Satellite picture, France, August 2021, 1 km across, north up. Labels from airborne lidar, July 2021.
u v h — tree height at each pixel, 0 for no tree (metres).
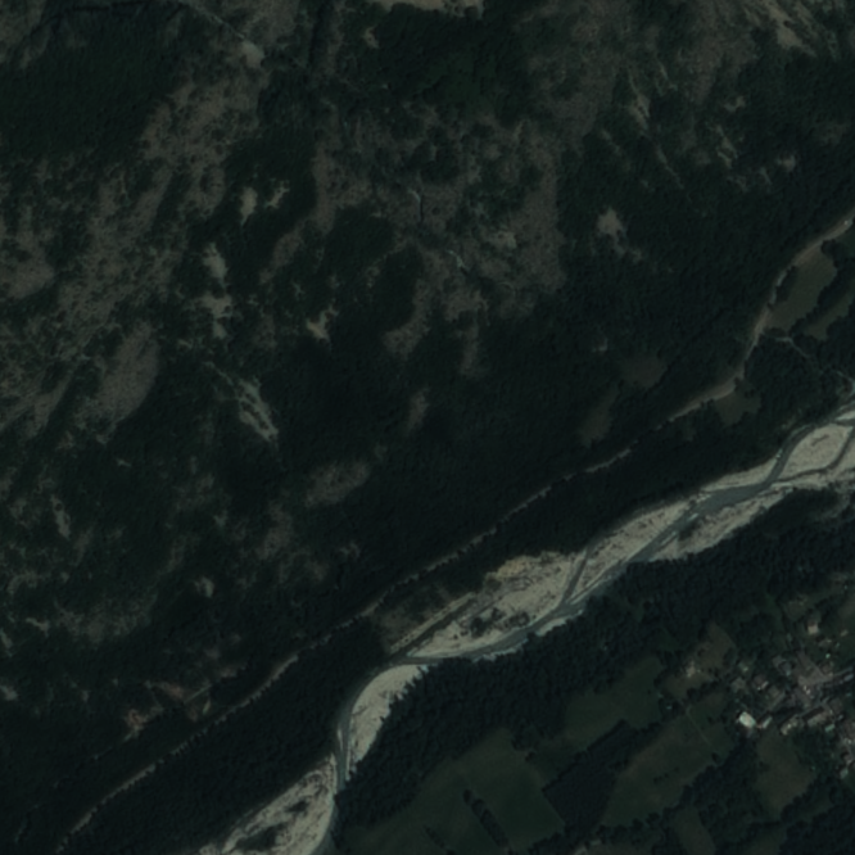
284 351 8
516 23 11
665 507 0
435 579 20
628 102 7
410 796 12
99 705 13
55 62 10
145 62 13
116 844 21
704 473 21
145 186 12
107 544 7
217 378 14
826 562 17
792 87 6
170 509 11
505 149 12
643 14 9
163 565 6
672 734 0
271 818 0
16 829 21
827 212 18
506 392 11
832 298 21
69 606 14
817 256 0
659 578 20
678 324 10
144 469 15
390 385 14
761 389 10
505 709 23
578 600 0
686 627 22
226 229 6
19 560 8
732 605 20
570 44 11
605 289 15
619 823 0
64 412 13
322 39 7
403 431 10
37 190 12
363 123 7
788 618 10
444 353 16
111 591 9
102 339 9
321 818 0
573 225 9
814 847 20
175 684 15
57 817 20
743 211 19
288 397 12
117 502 17
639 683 0
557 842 16
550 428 17
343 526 11
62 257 10
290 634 9
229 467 9
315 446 15
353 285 10
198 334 10
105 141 11
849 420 0
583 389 11
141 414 14
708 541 0
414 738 18
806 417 9
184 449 12
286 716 19
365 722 0
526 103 10
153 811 9
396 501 20
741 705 5
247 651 7
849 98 13
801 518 11
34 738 21
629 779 0
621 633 15
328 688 20
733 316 13
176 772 20
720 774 21
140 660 19
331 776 0
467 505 12
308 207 9
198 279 9
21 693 10
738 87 8
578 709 0
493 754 0
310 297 9
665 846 8
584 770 14
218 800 10
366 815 17
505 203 10
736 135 7
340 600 17
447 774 0
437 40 21
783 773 0
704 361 13
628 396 9
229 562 13
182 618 6
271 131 9
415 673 0
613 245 13
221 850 0
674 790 0
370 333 14
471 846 0
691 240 15
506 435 13
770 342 7
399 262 10
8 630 11
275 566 9
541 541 20
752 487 0
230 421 17
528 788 0
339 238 11
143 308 12
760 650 8
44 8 7
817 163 20
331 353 11
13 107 16
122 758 20
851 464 0
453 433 8
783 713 6
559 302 8
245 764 23
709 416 14
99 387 8
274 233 9
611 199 5
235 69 14
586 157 8
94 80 18
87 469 12
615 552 0
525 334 25
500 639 0
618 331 11
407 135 8
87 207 8
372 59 12
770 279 10
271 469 7
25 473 10
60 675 13
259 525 7
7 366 7
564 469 18
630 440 17
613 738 13
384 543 18
